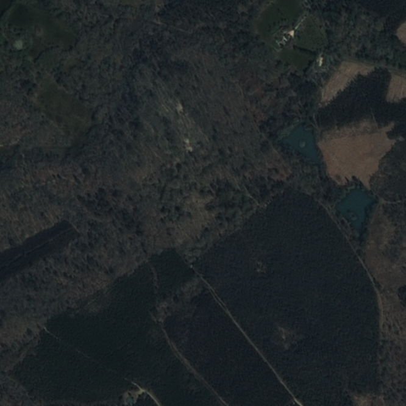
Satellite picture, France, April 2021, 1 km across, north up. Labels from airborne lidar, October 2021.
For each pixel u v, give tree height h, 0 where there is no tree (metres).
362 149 0
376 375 10
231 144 14
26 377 8
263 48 22
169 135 18
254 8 14
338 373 9
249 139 13
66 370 12
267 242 11
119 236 8
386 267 0
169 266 13
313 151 0
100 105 16
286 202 12
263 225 10
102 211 27
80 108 0
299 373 10
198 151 18
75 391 10
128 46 11
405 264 0
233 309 11
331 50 18
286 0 0
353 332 11
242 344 12
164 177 18
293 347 10
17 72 12
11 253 11
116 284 10
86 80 14
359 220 0
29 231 14
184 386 8
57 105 0
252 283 12
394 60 9
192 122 17
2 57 20
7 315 14
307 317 11
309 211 11
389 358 13
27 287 25
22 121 17
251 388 11
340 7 26
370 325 13
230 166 13
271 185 17
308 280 11
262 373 11
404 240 12
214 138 12
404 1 13
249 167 14
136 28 11
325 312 12
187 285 16
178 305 21
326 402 9
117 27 14
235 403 9
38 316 15
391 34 11
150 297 11
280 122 14
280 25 10
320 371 9
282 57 0
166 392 10
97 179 9
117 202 9
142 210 16
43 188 8
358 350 8
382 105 15
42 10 6
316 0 14
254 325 9
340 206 0
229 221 15
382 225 0
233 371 12
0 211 15
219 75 14
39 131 16
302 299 11
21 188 17
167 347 12
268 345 10
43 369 7
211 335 12
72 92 11
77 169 7
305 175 16
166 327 8
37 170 10
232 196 11
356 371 9
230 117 18
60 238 9
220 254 12
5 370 11
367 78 11
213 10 25
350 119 11
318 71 17
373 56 6
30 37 13
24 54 10
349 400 11
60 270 10
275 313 9
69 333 13
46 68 13
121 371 12
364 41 15
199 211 15
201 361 13
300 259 11
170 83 20
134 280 10
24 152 12
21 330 13
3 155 0
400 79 0
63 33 0
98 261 15
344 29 11
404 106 16
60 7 17
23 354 8
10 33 10
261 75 20
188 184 17
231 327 10
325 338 11
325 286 11
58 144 13
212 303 11
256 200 17
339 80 0
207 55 19
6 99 13
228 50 6
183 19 22
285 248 11
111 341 11
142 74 19
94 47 14
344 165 0
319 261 10
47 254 12
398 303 0
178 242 20
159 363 9
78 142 0
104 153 6
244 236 7
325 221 12
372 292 12
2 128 17
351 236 6
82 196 12
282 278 13
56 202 10
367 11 13
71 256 9
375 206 15
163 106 18
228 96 12
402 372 11
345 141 0
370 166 0
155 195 16
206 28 6
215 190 27
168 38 12
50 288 12
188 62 13
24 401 9
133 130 23
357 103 11
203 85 16
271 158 16
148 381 8
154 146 19
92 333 10
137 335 10
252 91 16
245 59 19
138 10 13
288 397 12
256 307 10
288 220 13
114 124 23
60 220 16
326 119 13
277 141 22
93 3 14
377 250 0
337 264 11
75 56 12
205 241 16
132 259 17
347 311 13
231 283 9
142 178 13
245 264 10
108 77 15
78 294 8
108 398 9
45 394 9
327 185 27
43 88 0
